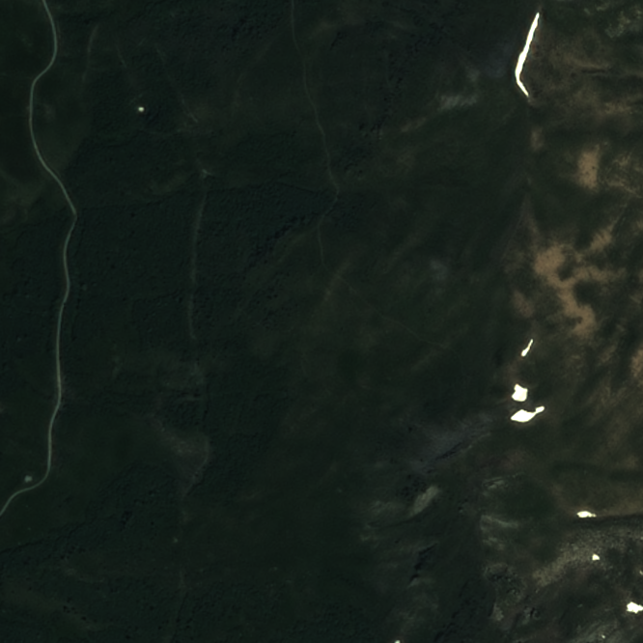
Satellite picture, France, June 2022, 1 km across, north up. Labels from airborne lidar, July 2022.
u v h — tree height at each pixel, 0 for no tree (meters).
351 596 0
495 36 0
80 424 0
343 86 0
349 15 0
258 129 0
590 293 0
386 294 0
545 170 0
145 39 0
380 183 0
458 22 0
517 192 0
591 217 0
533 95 0
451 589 0
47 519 0
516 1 0
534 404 0
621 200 0
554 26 0
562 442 0
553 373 0
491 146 0
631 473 0
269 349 0
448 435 0
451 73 0
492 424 0
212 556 0
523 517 0
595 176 0
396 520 0
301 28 0
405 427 0
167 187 0
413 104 0
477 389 0
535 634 0
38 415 0
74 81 0
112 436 0
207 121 0
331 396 0
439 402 0
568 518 0
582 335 0
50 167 0
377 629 0
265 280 0
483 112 0
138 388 0
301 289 0
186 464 0
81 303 8
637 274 0
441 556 0
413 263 0
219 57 0
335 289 0
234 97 0
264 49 0
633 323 0
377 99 0
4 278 0
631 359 0
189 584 0
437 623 0
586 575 0
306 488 0
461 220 0
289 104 0
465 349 0
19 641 6
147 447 0
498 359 0
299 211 6
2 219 0
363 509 0
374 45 0
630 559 0
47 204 0
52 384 0
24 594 0
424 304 0
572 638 0
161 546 0
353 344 0
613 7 0
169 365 0
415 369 0
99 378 0
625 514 0
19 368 0
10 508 0
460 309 0
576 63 0
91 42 0
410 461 0
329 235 0
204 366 0
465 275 0
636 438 0
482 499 0
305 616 0
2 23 0
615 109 0
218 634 0
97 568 0
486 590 0
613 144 0
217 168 0
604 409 0
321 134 0
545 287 0
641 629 0
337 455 0
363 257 0
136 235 7
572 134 0
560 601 0
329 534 0
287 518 0
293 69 0
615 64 0
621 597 0
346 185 0
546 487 0
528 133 0
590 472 0
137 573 0
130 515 11
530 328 0
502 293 0
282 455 0
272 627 0
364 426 0
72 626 0
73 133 0
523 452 0
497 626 0
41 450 0
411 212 0
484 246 0
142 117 6
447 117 0
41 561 7
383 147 0
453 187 0
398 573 0
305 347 0
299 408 0
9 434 0
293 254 0
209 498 0
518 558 0
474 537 0
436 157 0
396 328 0
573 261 0
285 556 0
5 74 0
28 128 0
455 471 0
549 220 0
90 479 0
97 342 0
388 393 0
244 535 0
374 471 0
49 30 0
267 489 0
